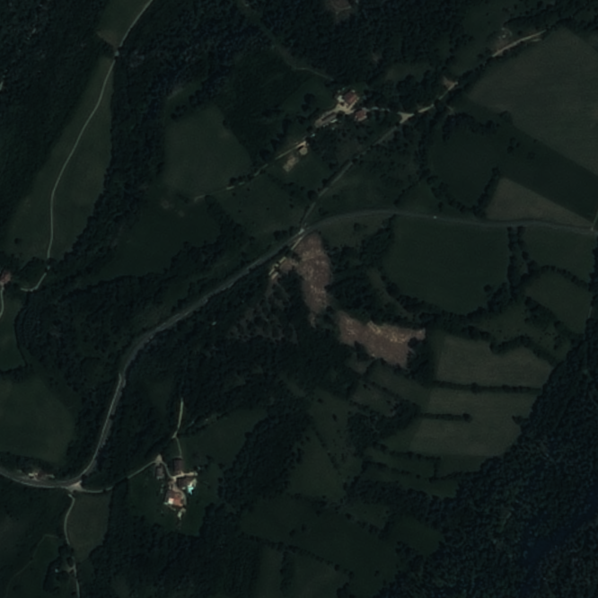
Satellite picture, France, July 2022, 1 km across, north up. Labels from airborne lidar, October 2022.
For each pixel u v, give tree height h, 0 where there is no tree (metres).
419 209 0
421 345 28
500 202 0
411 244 0
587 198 0
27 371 11
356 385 8
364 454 13
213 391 16
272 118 26
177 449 0
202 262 14
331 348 9
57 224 0
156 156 17
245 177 8
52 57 12
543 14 12
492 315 8
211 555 17
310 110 18
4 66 11
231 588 8
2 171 10
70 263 19
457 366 0
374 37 9
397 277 0
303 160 0
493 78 0
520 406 0
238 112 6
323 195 0
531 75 0
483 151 0
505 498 27
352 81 9
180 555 21
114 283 11
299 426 7
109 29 0
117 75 7
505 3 0
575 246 0
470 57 0
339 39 16
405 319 7
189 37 15
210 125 0
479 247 0
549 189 0
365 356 11
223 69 7
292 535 12
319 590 0
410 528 0
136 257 0
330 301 0
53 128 7
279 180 6
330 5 0
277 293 9
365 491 16
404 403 8
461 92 18
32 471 14
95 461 0
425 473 0
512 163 0
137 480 0
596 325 13
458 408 0
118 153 23
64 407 0
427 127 15
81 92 9
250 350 14
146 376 10
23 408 0
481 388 6
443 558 29
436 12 10
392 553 0
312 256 0
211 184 0
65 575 13
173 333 19
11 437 0
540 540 26
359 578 0
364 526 14
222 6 35
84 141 0
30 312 20
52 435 0
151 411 15
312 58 22
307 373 8
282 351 16
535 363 0
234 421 0
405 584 27
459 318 12
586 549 7
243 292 11
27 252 0
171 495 0
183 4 11
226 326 10
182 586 8
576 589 23
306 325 10
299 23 24
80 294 23
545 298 0
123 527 6
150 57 27
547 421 22
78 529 0
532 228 0
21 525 0
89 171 0
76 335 9
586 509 28
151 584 6
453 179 0
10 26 11
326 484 0
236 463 12
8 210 14
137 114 31
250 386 9
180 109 16
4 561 0
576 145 0
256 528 0
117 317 8
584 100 0
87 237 14
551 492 20
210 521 15
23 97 15
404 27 16
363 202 0
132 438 8
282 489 7
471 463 0
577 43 0
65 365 20
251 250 0
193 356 19
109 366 11
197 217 0
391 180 7
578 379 25
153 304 15
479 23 0
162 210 0
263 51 6
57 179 0
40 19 10
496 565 18
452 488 0
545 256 0
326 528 0
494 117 0
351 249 13
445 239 0
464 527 14
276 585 0
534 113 0
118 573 10
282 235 15
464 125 18
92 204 0
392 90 12
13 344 0
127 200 25
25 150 15
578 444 22
